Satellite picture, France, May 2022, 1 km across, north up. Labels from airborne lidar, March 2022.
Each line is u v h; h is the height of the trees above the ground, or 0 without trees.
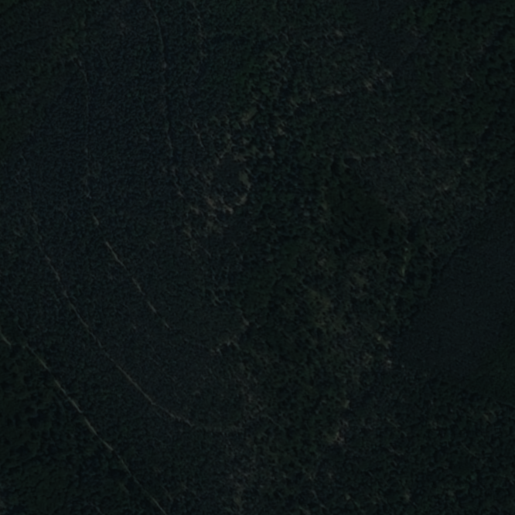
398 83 23
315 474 24
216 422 25
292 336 30
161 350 23
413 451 28
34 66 19
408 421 33
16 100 21
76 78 29
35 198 21
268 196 28
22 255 23
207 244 9
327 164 9
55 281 24
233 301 19
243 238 11
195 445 23
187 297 18
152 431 23
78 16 23
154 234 19
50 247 18
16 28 28
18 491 30
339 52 24
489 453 34
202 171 27
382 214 6
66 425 26
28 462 26
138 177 22
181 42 24
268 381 29
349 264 29
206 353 20
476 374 14
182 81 16
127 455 30
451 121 23
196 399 21
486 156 13
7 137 21
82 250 26
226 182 10
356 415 27
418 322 24
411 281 35
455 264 21
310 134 33
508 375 13
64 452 32
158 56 27
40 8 25
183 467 25
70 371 23
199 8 21
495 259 22
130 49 26
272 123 28
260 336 26
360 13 28
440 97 23
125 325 24
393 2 28
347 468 30
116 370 20
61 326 24
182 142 25
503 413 29
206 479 28
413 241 34
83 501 25
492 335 21
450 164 26
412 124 28
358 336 28
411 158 26
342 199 25
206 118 18
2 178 17
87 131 25
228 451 25
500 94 25
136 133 27
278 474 31
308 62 28
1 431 10
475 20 30
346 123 28
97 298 22
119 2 23
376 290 27
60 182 24
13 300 26
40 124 12
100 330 23
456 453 30
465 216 26
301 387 29
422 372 21
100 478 33
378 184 27
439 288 23
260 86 30
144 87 22
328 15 25
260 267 27
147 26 29
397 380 26
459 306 21
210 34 11
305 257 26
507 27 31
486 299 21
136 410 21
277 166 31
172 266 21
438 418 30
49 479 30
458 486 31
